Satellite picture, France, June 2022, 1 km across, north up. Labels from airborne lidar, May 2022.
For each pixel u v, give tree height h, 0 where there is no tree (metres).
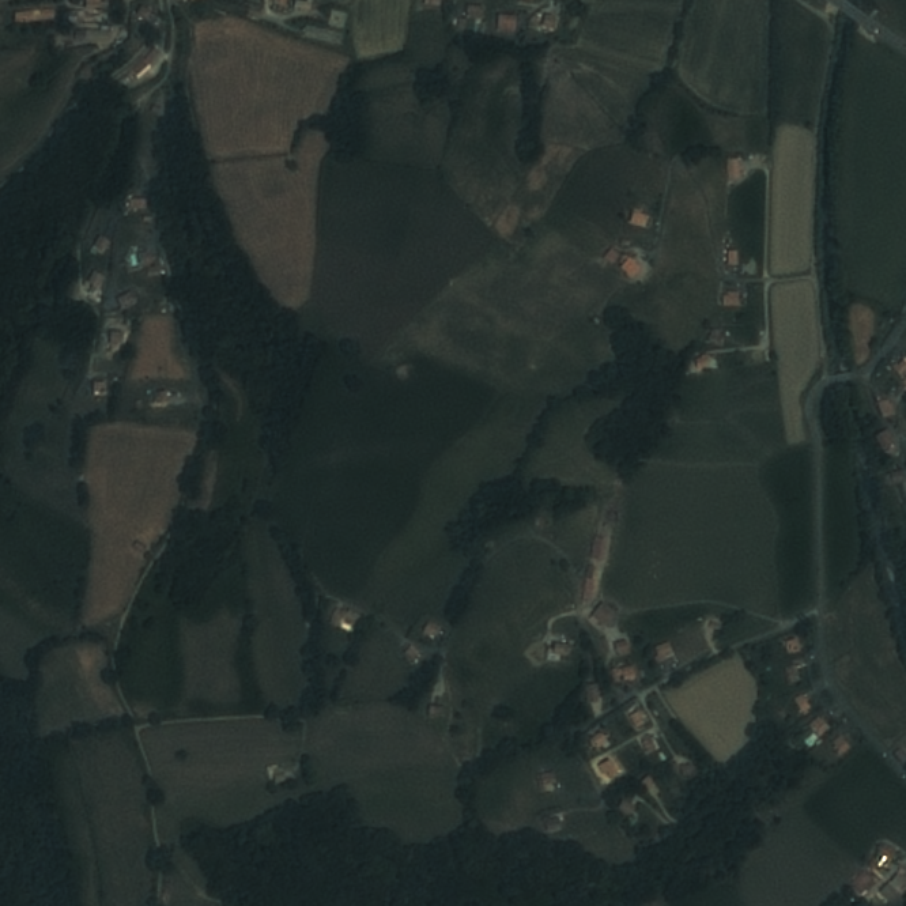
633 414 21
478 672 0
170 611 0
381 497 0
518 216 0
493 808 0
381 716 0
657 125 0
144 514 0
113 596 0
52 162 19
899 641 9
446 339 0
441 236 0
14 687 13
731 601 0
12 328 22
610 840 0
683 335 0
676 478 0
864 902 15
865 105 0
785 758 14
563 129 0
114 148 22
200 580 20
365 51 0
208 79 0
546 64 0
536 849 22
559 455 0
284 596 0
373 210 0
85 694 0
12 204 20
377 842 22
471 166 0
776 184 0
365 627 11
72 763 0
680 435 0
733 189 0
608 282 0
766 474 0
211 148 0
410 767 0
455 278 0
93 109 15
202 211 24
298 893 26
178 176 27
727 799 6
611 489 0
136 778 0
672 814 8
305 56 0
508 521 11
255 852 24
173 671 0
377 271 0
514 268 0
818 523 0
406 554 0
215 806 0
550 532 0
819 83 0
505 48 17
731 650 10
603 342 0
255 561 0
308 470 0
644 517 0
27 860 20
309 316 0
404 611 0
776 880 0
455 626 13
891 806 0
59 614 0
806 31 0
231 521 24
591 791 0
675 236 0
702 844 18
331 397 0
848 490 0
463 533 7
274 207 0
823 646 0
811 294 0
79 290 0
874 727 0
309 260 0
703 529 0
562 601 0
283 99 0
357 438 0
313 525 0
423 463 0
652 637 0
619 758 0
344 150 14
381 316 0
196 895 0
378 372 0
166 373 0
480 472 0
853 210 0
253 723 0
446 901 22
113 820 0
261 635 0
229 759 0
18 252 27
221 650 0
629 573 0
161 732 0
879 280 0
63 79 0
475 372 0
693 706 0
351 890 24
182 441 0
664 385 27
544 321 0
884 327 0
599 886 28
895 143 0
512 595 0
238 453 0
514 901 18
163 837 0
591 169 0
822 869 0
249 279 14
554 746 15
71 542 0
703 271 0
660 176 0
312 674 16
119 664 6
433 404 0
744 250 0
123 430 0
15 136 0
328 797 14
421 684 15
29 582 0
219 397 18
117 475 0
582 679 11
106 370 0
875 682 0
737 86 0
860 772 0
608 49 0
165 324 0
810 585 0
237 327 23
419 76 10
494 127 0
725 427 0
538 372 0
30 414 0
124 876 0
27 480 0
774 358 12
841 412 24
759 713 14
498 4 0
